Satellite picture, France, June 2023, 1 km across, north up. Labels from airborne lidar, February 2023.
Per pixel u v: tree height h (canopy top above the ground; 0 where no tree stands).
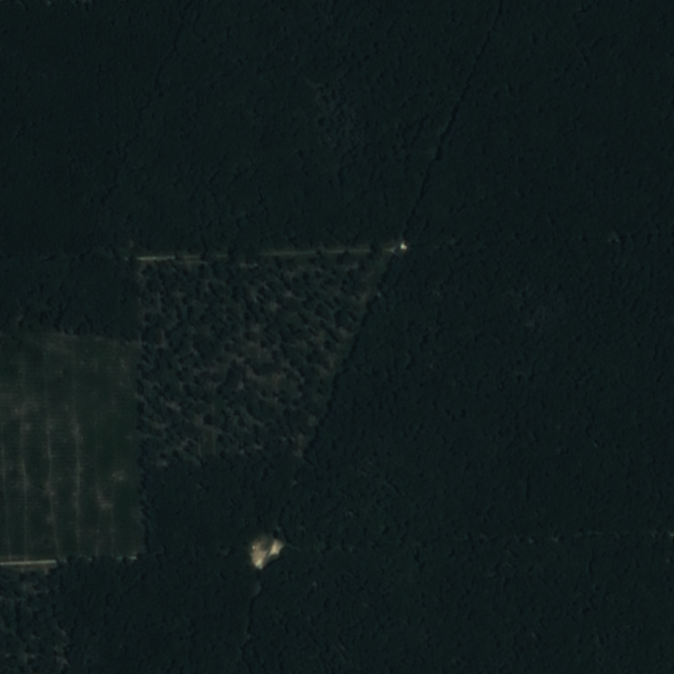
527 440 27
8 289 35
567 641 26
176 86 29
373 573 30
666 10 31
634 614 26
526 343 27
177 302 25
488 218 25
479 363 33
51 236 21
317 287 27
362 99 26
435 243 22
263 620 25
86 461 0
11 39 20
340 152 21
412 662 30
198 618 32
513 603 25
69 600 28
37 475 0
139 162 30
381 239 27
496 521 27
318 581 28
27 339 0
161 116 33
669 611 23
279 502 32
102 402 0
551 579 23
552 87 26
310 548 29
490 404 30
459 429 30
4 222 21
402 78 30
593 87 29
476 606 27
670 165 26
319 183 29
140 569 28
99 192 17
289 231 24
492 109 26
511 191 26
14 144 20
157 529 25
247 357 25
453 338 30
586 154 28
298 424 33
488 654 26
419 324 31
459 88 27
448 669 28
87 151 19
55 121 20
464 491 32
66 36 21
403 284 30
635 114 29
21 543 0
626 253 28
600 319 27
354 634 27
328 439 32
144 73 21
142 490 0
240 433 32
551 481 28
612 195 29
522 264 24
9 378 0
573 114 28
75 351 0
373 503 30
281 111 32
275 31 30
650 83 29
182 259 24
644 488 22
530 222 26
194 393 32
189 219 32
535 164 28
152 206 28
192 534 30
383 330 29
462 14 26
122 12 23
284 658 25
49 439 0
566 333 28
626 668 24
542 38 27
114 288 31
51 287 33
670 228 27
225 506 29
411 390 30
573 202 28
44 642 31
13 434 0
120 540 0
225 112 34
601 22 30
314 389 29
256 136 35
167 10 23
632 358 27
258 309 26
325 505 31
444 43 26
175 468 31
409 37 28
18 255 20
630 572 21
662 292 30
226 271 26
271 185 34
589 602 17
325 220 30
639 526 22
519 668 25
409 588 25
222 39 36
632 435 24
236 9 34
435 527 26
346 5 27
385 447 29
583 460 29
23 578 0
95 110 21
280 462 33
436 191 26
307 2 25
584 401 24
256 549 0
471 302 29
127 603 29
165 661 27
